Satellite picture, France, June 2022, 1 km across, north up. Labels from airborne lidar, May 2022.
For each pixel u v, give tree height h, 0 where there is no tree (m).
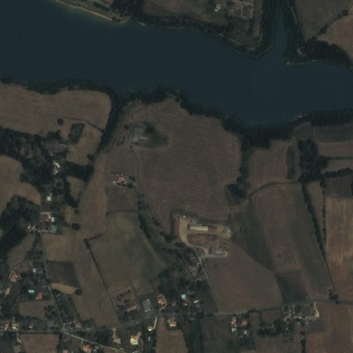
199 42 0
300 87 0
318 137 0
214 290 0
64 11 0
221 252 0
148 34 0
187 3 0
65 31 0
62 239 0
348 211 0
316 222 10
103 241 0
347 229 0
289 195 0
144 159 0
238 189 21
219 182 0
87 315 0
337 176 12
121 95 0
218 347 0
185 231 0
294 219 0
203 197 0
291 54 10
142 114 0
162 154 0
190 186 0
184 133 0
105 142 17
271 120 0
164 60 0
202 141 0
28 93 0
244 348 0
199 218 0
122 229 0
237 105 0
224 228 0
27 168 16
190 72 0
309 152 11
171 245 0
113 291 0
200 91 0
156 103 17
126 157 0
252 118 0
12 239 14
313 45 17
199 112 15
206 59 0
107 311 0
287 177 0
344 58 14
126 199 0
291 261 0
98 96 0
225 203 0
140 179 0
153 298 0
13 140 11
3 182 0
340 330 0
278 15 11
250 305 0
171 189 0
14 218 7
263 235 0
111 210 0
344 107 0
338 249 0
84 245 0
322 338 0
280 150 0
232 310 0
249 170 0
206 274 0
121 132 0
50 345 0
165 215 0
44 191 14
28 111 0
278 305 0
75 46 0
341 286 0
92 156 26
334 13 0
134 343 0
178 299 8
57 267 0
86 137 0
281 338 0
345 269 0
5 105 0
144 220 25
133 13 18
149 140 0
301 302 0
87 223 0
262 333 8
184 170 0
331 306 0
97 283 0
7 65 0
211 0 9
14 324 0
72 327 13
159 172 0
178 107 0
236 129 18
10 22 0
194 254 9
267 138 18
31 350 0
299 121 12
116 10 9
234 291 0
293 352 0
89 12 0
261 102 0
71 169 7
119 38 0
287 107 0
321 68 0
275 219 0
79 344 0
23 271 0
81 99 0
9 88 0
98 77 0
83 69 0
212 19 0
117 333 0
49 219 0
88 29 0
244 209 0
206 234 0
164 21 8
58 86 13
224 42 13
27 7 0
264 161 0
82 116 0
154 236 0
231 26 17
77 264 0
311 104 0
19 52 0
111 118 15
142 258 0
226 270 0
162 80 0
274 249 0
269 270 0
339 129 0
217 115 10
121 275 0
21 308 0
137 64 0
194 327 0
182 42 0
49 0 0
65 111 0
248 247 0
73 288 0
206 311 0
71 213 0
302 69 0
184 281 13
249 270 0
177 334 0
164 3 0
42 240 0
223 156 0
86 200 0
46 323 0
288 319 7
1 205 0
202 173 0
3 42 0
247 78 0
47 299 6
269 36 18
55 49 0
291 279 0
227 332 0
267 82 0
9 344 0
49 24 0
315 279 0
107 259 0
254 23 13
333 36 0
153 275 0
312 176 17
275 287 0
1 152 11
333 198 0
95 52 0
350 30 0
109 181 0
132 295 0
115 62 0
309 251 0
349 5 0
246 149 12
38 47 0
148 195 0
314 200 0
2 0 0
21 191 0
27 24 0
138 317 0
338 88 0
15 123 0
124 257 0
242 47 10
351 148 0
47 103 0
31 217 9
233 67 0
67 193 11
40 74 0
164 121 0
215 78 0
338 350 0
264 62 0
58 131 7
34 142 10
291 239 0
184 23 9
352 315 0
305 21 0
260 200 0
